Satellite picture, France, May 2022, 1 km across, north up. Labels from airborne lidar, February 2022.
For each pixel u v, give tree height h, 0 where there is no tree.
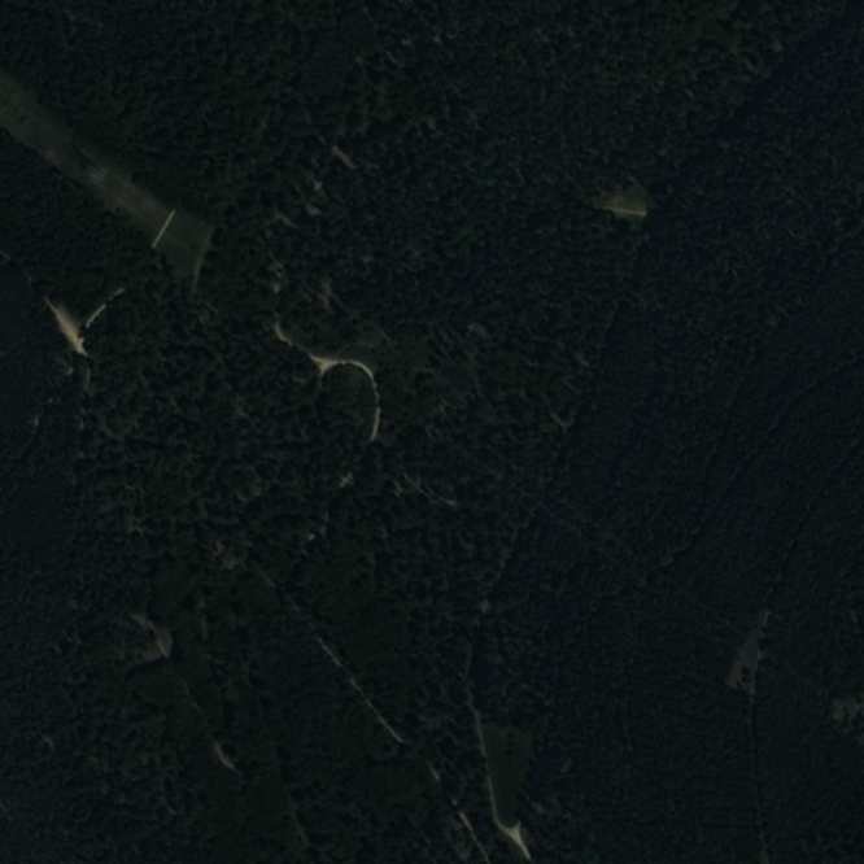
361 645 22
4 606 19
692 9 33
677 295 29
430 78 37
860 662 13
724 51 31
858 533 13
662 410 27
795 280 28
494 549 34
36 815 11
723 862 17
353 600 20
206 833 14
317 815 6
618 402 20
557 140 33
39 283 16
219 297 12
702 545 20
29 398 19
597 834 29
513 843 0
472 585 39
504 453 35
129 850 10
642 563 24
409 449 35
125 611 25
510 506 35
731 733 19
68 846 16
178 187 20
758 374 13
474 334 32
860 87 33
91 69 23
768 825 13
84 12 24
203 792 11
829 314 17
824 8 34
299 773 15
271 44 23
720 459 24
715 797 16
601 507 26
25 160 18
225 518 40
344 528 17
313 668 20
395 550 15
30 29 29
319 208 36
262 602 20
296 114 35
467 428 7
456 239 37
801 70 31
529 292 37
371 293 32
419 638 8
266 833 10
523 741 0
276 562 23
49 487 12
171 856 10
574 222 35
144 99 13
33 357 17
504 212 29
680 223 33
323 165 34
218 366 34
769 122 36
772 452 15
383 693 12
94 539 14
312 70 29
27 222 21
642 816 17
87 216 22
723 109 31
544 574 18
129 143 13
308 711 20
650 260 35
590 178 34
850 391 19
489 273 38
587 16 30
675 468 20
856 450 21
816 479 21
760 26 14
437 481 31
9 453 18
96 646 24
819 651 17
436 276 19
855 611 14
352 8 26
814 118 35
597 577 28
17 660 17
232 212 33
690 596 20
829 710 14
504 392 16
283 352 18
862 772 12
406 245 43
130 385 20
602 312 29
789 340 17
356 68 33
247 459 33
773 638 5
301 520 37
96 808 20
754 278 29
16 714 10
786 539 19
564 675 26
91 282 23
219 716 11
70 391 13
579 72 32
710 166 35
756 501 21
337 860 16
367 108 35
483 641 37
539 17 28
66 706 11
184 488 22
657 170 39
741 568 21
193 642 14
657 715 18
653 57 32
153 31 12
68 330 0
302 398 15
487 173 39
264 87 29
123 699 18
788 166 34
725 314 32
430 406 11
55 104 10
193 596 14
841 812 13
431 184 9
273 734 14
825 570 16
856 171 31
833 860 30
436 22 33
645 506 24
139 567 20
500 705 39
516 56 29
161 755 11
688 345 31
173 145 14
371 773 21
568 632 26
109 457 11
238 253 11
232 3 19
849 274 20
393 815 15
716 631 15
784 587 20
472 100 32
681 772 16
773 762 15
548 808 32
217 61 22
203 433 21
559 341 37
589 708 25
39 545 15
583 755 24
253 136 25
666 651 20
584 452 26
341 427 31
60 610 13
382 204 32
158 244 0
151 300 23
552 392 25
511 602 20
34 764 9
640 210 0
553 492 23
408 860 37
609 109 34
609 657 28
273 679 10
